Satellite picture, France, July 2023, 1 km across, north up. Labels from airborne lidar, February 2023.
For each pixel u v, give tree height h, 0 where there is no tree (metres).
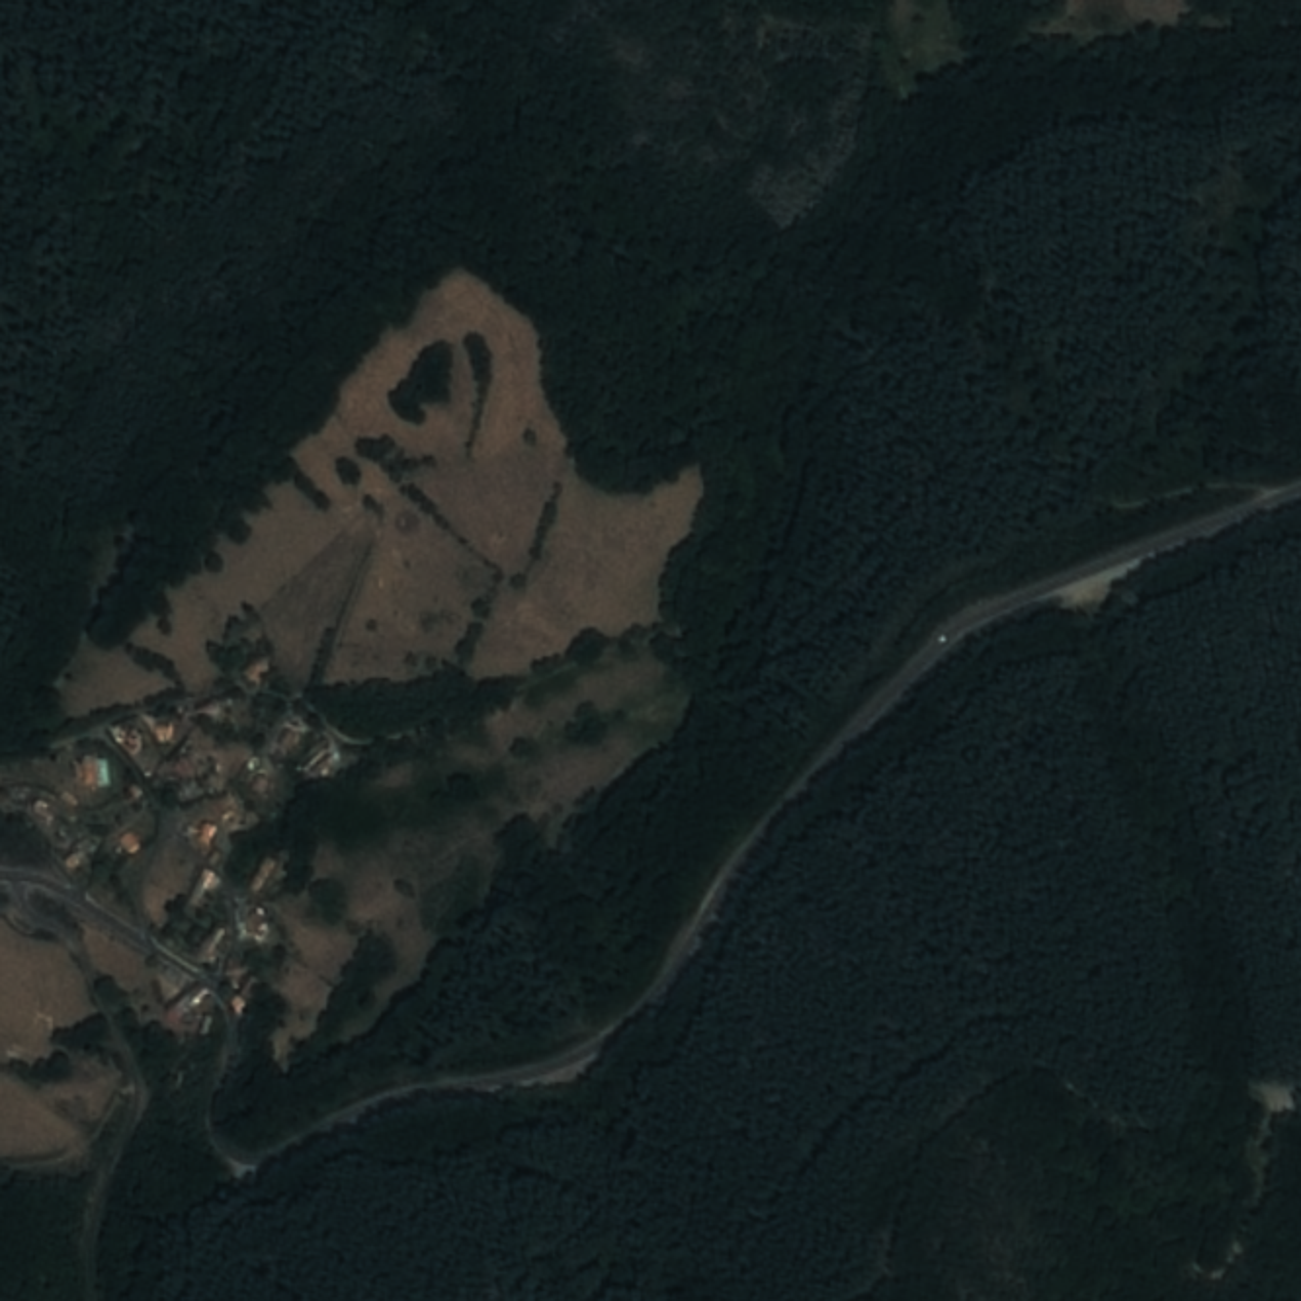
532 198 19
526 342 0
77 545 25
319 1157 17
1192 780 24
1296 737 25
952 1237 9
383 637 0
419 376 11
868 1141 23
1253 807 20
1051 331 23
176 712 7
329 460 0
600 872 15
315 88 25
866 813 23
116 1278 18
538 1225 23
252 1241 25
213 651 11
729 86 15
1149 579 16
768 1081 27
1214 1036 16
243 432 20
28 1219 16
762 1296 26
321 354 18
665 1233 28
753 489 10
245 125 18
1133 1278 18
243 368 7
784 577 24
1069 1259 15
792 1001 27
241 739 6
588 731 10
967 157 24
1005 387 25
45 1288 19
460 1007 26
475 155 22
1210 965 17
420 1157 19
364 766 7
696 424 9
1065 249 24
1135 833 16
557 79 23
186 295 19
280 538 0
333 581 0
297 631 0
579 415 14
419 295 10
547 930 20
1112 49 18
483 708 17
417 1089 0
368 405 0
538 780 0
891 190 21
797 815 20
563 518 0
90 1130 0
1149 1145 20
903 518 19
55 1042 7
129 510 23
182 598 0
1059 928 26
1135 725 16
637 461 19
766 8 17
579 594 0
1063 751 22
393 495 0
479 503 0
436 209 20
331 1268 28
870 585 28
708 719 19
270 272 23
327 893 15
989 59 15
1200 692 24
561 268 22
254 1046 15
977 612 0
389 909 0
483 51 21
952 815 26
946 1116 20
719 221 16
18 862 0
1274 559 21
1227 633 24
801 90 22
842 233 18
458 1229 25
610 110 18
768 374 7
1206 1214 13
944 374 22
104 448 28
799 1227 26
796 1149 27
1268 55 24
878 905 25
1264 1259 15
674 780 13
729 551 25
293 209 23
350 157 23
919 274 18
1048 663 25
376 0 22
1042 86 26
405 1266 25
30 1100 0
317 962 0
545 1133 27
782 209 23
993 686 24
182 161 18
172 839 0
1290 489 0
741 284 28
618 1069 18
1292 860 17
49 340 26
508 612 0
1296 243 25
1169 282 23
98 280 16
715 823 19
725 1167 28
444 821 0
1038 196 21
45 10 29
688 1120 29
